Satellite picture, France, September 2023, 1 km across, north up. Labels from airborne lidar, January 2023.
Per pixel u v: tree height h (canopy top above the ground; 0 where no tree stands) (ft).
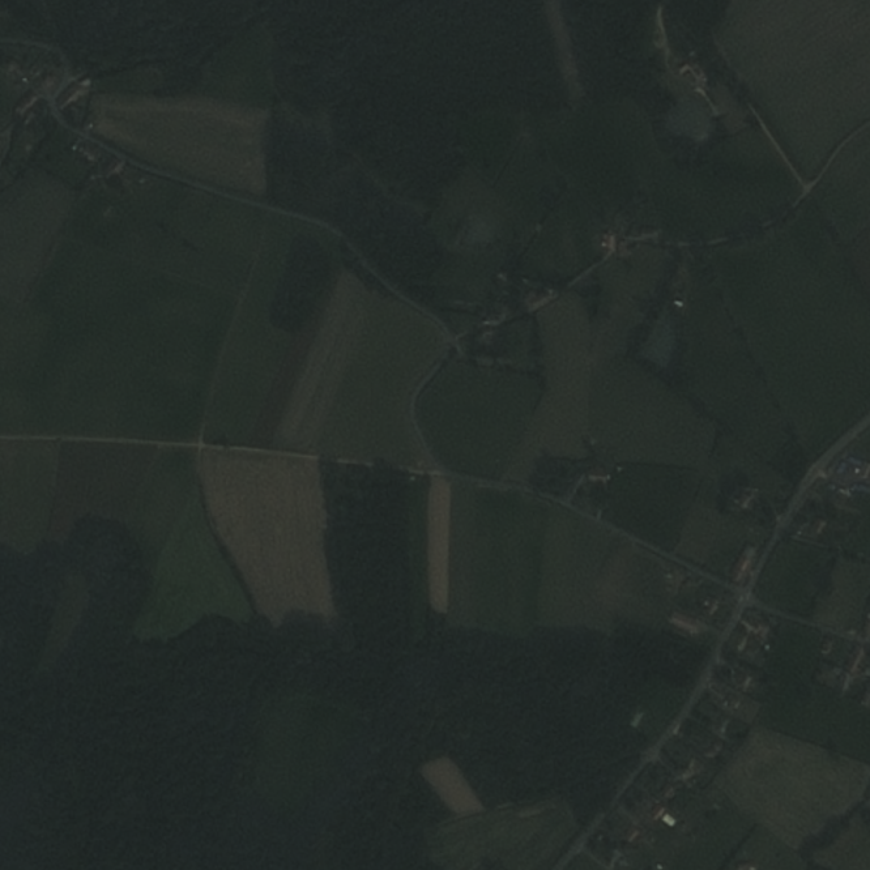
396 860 75
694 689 0
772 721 0
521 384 0
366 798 73
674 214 0
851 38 0
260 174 0
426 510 0
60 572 81
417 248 86
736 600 0
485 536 0
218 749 68
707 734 0
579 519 0
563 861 0
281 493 0
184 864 60
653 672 26
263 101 0
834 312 0
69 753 85
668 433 0
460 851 0
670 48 0
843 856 0
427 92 60
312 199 0
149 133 0
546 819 0
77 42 73
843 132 0
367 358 0
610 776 39
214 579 0
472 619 0
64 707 20
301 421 0
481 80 72
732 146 0
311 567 0
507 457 0
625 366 0
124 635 53
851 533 0
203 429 0
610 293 0
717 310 0
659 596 0
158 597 0
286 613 0
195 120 0
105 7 101
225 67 0
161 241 0
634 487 0
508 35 68
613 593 0
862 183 0
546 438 0
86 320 0
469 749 44
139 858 71
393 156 89
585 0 69
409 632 54
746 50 0
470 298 0
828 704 0
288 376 0
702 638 0
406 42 58
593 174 0
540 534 0
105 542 77
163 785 37
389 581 57
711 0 60
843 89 0
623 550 0
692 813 0
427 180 85
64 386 0
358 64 78
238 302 0
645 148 0
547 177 0
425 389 0
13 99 0
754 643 0
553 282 33
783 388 0
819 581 70
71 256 0
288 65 90
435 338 0
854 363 0
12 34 0
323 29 52
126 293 0
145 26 79
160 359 0
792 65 0
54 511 0
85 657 61
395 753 94
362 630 65
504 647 66
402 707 92
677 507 0
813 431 0
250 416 0
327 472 25
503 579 0
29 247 0
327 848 93
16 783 0
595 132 0
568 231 0
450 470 0
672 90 0
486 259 0
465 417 0
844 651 0
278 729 0
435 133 74
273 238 0
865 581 0
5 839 121
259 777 0
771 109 0
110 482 0
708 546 0
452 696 71
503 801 25
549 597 0
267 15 51
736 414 0
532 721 58
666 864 0
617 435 0
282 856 128
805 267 0
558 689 62
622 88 63
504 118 0
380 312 0
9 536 0
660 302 25
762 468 0
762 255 0
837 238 39
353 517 28
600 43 83
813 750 0
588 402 0
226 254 0
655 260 0
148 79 0
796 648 0
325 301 0
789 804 0
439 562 0
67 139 0
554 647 70
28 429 0
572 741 51
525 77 69
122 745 64
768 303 0
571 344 0
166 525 0
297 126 0
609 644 24
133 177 0
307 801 0
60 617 0
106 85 0
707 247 56
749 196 0
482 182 0
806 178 0
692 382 0
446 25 67
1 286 0
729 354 0
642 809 0
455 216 0
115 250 0
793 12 0
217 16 81
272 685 60
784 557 0
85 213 0
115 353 0
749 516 20
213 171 0
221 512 0
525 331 0
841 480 0
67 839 89
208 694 42
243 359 0
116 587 76
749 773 0
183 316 0
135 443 0
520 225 0
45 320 0
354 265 33
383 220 78
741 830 0
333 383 0
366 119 89
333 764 0
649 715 0
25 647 71
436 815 29
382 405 0
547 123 0
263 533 0
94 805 78
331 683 65
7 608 104
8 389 0
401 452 0
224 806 57
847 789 0
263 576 0
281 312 47
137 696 61
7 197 0
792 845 0
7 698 66
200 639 23
